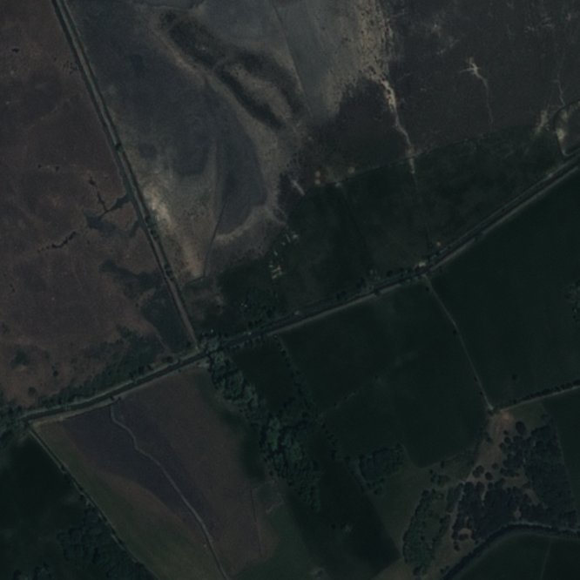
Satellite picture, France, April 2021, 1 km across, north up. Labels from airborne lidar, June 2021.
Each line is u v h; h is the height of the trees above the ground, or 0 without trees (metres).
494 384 0
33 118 0
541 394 9
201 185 0
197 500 0
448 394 0
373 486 11
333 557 0
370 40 0
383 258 0
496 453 0
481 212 0
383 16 0
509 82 0
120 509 0
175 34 0
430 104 0
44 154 0
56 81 0
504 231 0
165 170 0
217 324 0
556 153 0
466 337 0
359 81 0
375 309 0
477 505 9
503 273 0
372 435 0
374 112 0
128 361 5
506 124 0
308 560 0
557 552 0
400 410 0
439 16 0
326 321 0
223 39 0
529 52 0
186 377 0
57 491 0
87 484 0
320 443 0
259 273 0
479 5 0
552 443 9
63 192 0
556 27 0
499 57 0
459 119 0
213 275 0
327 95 0
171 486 0
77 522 0
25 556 0
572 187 0
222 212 0
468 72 0
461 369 0
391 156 0
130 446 0
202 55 0
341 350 0
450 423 0
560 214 0
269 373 0
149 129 0
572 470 0
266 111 0
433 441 0
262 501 0
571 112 0
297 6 0
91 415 0
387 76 0
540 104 0
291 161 0
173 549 0
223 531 0
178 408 0
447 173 0
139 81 0
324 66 0
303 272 0
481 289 0
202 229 0
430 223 0
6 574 0
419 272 10
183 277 0
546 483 7
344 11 0
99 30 0
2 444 13
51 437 0
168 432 0
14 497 0
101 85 0
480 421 0
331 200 0
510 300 0
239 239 0
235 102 0
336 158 0
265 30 0
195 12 0
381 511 0
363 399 0
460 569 13
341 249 0
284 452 24
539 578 0
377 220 0
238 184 0
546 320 0
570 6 0
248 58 0
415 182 0
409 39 0
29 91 0
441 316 0
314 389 0
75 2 0
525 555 0
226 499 0
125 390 0
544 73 0
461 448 0
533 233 0
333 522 0
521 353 0
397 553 0
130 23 0
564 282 0
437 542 8
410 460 0
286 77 0
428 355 0
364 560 0
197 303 0
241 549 0
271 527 0
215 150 0
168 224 0
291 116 0
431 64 0
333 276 0
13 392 0
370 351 0
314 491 15
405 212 0
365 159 0
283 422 14
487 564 0
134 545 0
